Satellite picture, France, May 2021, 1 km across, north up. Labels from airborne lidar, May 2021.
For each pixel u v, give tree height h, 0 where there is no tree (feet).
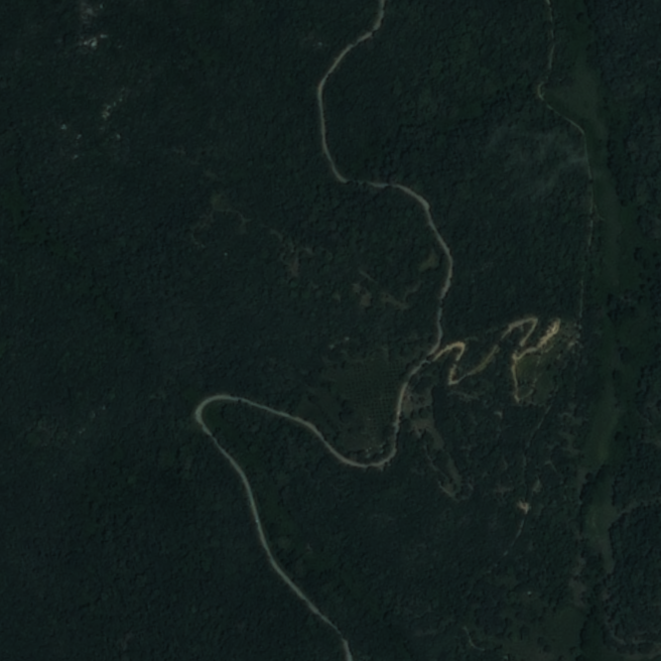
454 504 24
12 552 41
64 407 22
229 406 41
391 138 32
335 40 28
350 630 29
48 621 38
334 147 35
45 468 19
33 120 27
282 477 56
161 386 47
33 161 23
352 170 21
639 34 20
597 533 0
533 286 45
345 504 32
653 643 25
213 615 37
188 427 55
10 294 23
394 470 29
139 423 27
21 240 36
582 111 0
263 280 26
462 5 29
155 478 44
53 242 37
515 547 21
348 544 24
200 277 27
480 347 23
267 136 27
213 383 32
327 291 33
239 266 28
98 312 30
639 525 43
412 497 25
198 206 20
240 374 31
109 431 28
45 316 29
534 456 32
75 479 31
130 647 23
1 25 31
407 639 28
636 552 36
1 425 18
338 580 25
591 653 0
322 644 20
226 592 38
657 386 39
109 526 25
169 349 28
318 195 25
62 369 33
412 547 22
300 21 33
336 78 32
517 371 0
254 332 34
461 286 35
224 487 28
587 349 27
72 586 30
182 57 20
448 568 29
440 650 28
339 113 30
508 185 25
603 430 0
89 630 40
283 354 24
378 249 25
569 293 27
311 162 26
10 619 36
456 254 30
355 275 21
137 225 18
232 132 20
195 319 23
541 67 24
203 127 23
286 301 23
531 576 31
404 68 30
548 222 38
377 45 20
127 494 43
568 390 28
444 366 28
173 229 22
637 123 32
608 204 0
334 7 21
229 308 26
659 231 40
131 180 20
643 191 48
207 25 23
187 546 31
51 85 20
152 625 25
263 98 26
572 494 34
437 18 44
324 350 31
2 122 17
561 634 0
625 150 19
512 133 35
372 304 25
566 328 27
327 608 47
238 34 30
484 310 46
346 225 23
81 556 39
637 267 0
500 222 30
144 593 28
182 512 25
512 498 41
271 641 23
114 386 32
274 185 31
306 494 27
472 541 31
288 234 20
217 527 30
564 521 34
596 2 30
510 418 22
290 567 47
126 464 33
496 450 49
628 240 0
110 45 25
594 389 26
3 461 24
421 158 32
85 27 19
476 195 29
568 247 27
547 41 27
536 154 40
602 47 27
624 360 37
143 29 25
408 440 35
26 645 42
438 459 23
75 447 28
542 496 26
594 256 47
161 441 26
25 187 39
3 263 29
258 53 24
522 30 23
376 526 20
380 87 26
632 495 25
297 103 29
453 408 28
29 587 35
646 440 31
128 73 21
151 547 28
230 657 34
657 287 22
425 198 20
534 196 51
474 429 24
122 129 28
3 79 36
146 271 23
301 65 48
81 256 29
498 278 42
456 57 40
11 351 19
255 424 31
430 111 37
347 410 20
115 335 41
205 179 22
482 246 33
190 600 38
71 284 32
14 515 42
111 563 33
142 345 22
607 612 32
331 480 30
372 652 34
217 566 31
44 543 52
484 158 32
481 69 37
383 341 22
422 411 36
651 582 31
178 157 23
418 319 29
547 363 0
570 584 26
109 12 23
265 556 35
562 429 28
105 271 36
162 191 29
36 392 25
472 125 32
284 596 29
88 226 24
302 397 27
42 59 20
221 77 24
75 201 27
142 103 17
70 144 23
